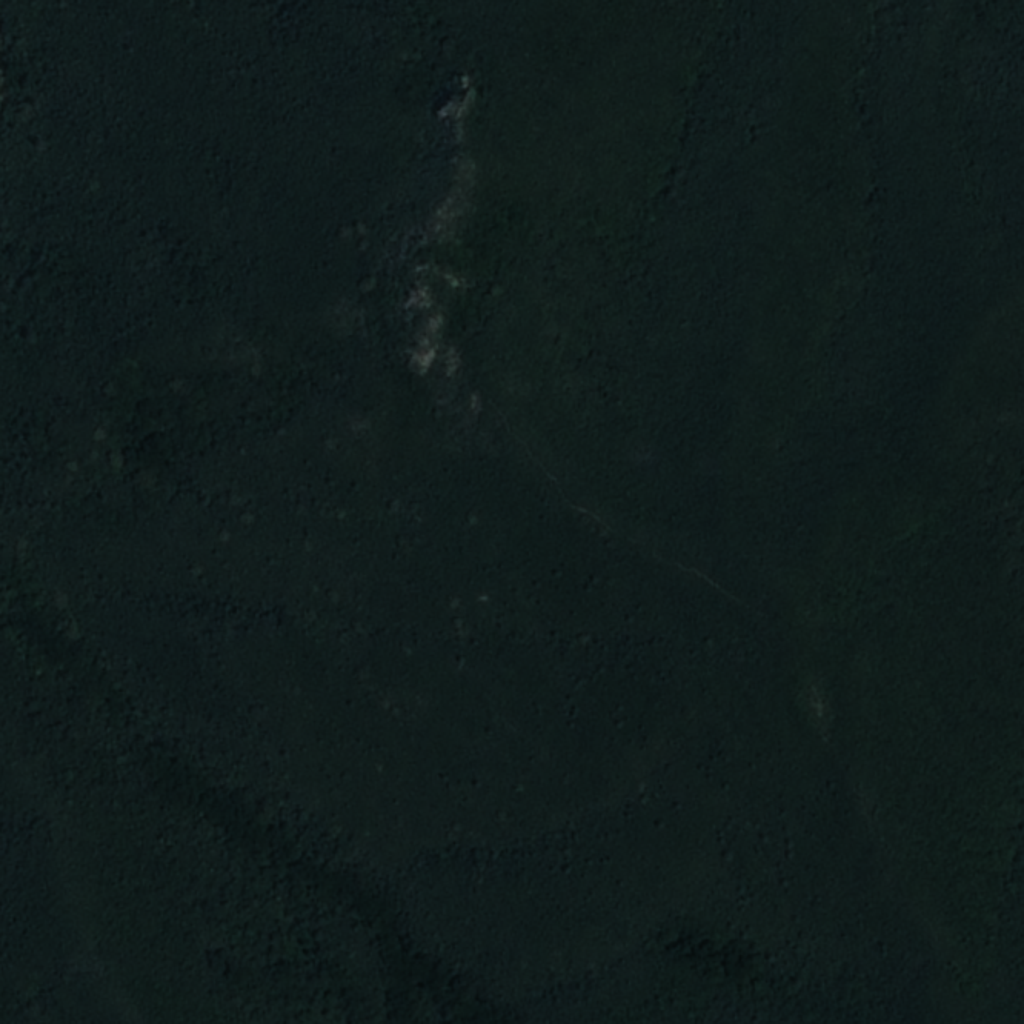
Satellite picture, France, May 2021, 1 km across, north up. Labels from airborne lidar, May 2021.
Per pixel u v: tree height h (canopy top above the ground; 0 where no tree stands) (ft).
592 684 22
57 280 53
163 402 38
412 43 26
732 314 25
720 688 20
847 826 25
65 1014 33
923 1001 26
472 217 23
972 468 26
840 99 27
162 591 31
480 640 26
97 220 30
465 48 31
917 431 27
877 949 31
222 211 33
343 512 31
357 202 23
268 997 26
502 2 24
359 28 21
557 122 25
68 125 34
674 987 36
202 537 28
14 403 27
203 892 25
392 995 59
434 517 19
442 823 23
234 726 27
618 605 21
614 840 20
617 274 27
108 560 26
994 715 35
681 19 31
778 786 28
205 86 24
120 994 25
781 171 21
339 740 22
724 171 26
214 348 23
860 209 29
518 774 21
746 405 20
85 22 27
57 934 23
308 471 26
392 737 20
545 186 28
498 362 30
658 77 30
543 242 42
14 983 29
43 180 30
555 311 27
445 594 26
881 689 32
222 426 45
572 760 17
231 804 87
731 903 24
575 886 24
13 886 31
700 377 23
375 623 21
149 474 62
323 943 26
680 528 27
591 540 25
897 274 27
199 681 29
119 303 28
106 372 23
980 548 37
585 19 22
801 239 23
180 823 50
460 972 40
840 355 26
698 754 18
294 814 44
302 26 51
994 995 20
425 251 30
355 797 23
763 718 22
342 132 26
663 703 22
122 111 27
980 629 31
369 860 26
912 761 30
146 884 28
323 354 33
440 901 25
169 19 27
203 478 23
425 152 23
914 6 26
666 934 34
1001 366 24
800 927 25
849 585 34
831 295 26
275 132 26
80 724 25
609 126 29
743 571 18
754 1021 30
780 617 21
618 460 22
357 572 26
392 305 24
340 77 31
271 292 20
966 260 25
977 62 29
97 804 26
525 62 22
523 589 20
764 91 27
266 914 29
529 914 24
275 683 22
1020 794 40
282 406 36
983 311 25
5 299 34
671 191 49
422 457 19
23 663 30
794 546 23
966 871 37
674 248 24
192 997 33
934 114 24
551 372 30
